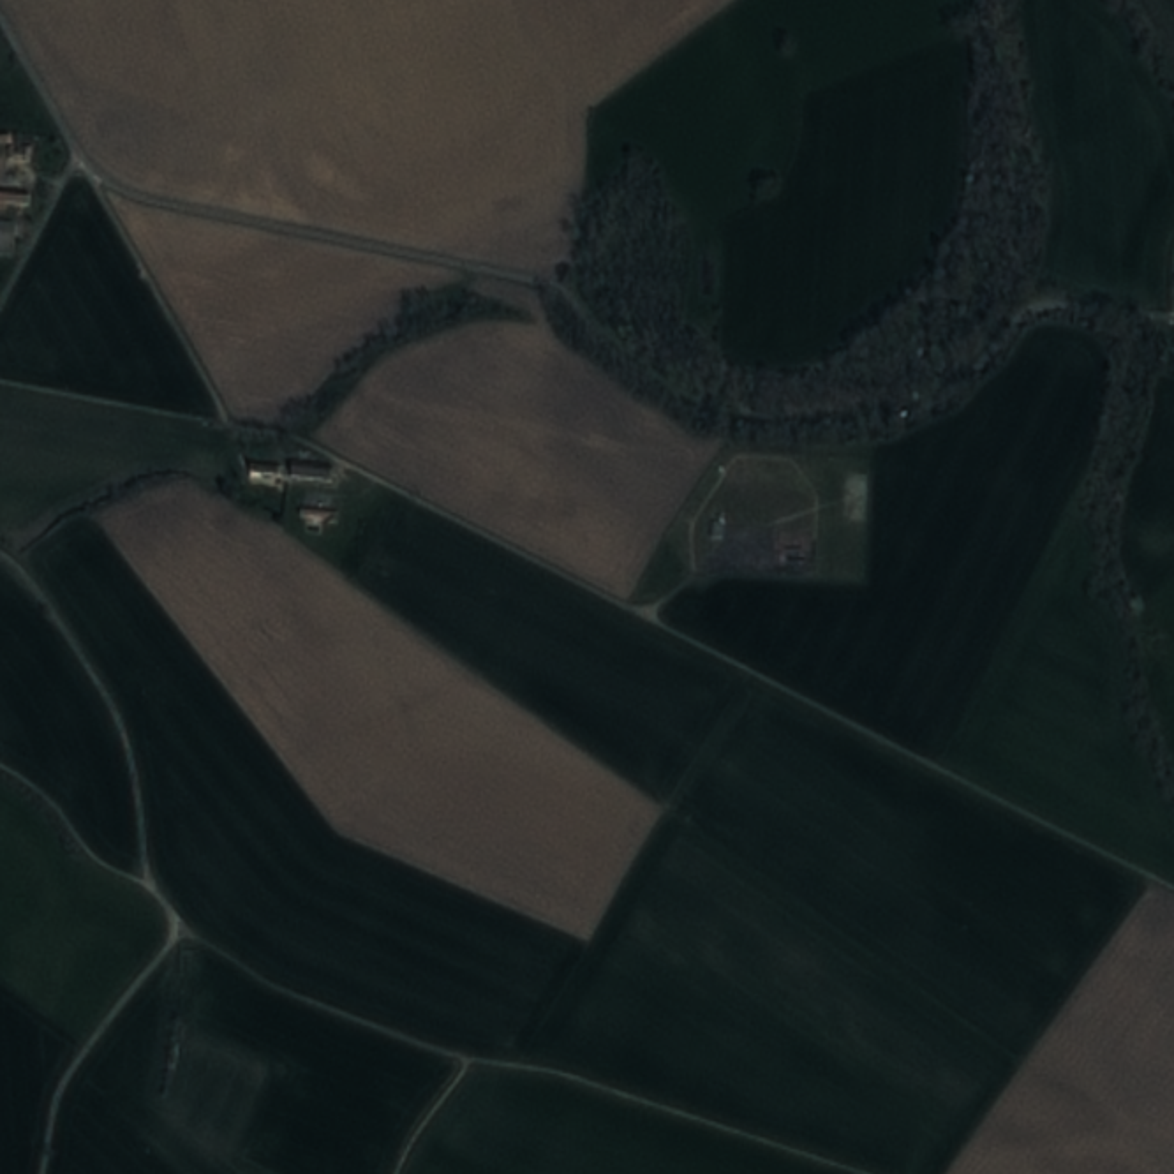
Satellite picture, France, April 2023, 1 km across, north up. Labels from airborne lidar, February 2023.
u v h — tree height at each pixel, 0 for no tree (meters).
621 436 0
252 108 0
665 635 0
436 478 0
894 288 0
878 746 0
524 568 0
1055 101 0
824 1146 0
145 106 0
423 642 0
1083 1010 0
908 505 0
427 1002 0
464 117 0
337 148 0
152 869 0
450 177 0
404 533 0
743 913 0
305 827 0
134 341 0
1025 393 0
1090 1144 0
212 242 0
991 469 0
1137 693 11
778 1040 0
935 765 0
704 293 0
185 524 0
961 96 0
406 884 0
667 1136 0
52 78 0
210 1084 0
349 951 0
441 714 0
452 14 0
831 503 0
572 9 0
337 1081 0
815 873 0
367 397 0
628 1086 0
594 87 0
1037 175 15
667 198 10
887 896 0
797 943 0
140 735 0
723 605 0
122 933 0
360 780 0
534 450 0
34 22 0
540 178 0
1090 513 8
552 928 0
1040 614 0
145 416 0
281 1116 0
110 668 0
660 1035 0
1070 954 0
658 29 0
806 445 11
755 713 0
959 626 0
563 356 0
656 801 0
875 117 0
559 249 0
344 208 0
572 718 0
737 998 0
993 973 0
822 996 0
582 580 0
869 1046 0
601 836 0
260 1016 0
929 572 0
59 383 0
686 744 0
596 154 0
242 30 0
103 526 0
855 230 0
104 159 0
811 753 0
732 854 0
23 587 0
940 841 0
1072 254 0
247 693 0
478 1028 0
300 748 0
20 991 0
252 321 0
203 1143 0
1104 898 0
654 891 0
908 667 0
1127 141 0
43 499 0
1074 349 0
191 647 0
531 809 0
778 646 0
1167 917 0
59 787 0
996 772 0
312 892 0
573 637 0
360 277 0
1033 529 0
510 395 0
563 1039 0
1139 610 15
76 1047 0
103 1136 0
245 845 0
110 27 0
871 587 0
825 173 0
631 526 0
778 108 0
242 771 0
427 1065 0
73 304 0
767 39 0
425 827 0
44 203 13
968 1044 0
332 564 0
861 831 0
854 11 0
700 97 0
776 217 0
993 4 23
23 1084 0
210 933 0
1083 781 0
